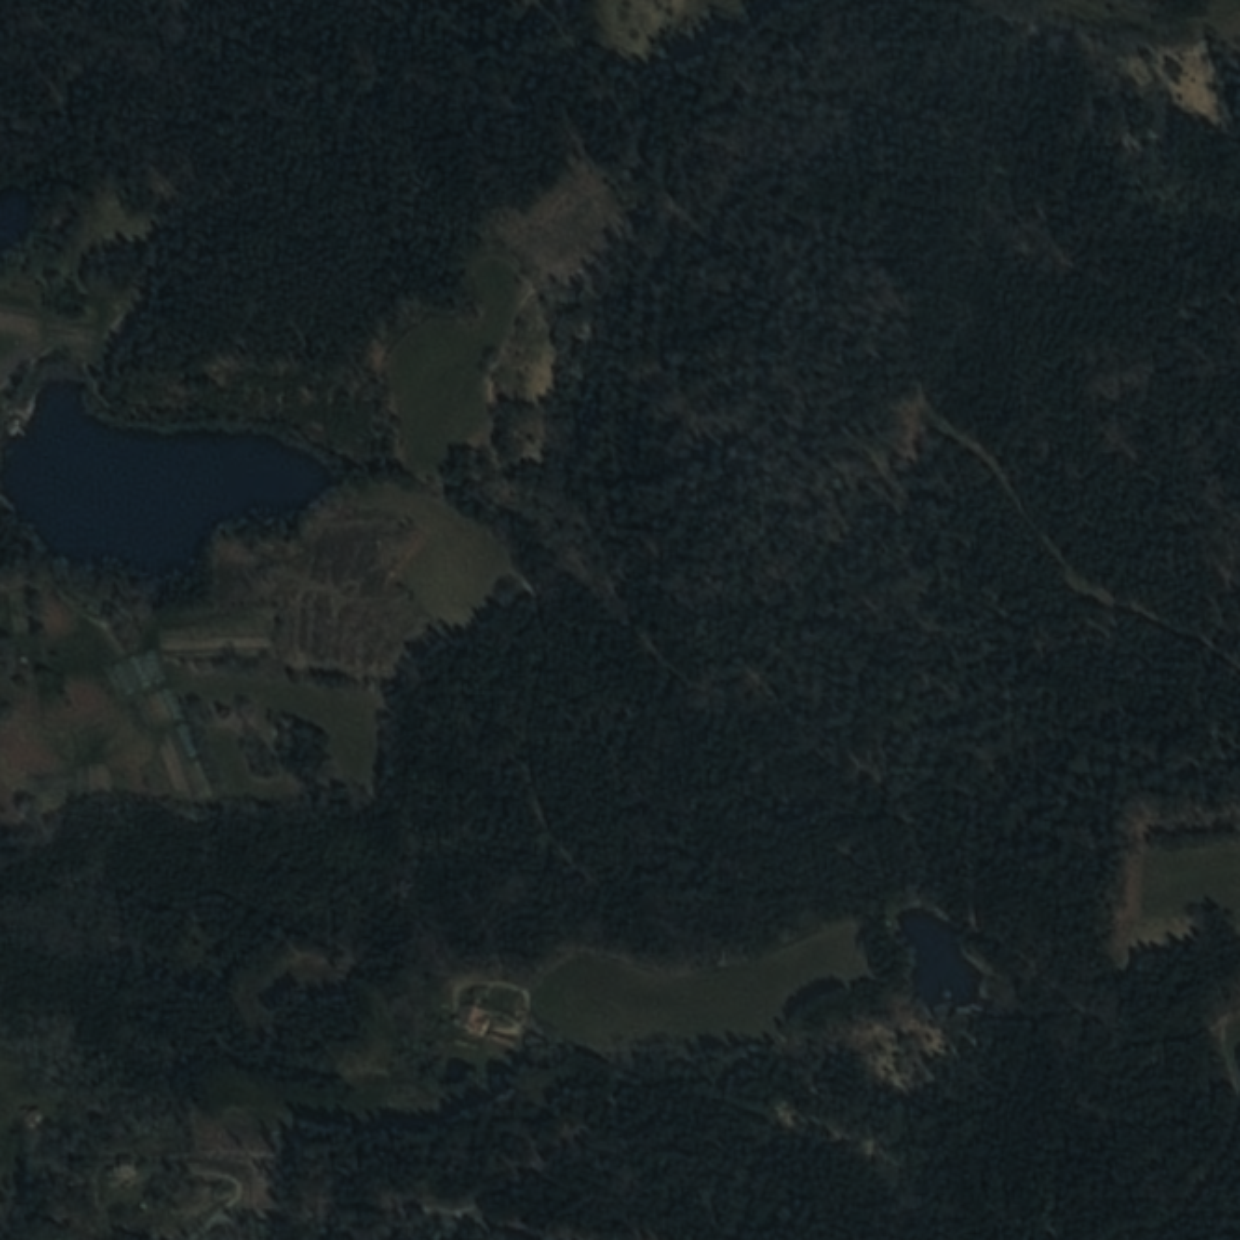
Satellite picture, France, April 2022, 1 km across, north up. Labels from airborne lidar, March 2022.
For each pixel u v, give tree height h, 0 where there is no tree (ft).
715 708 64
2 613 0
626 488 42
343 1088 71
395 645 0
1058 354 62
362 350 76
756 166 78
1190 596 73
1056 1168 74
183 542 0
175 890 52
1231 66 39
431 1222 65
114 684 0
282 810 51
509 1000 0
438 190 70
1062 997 44
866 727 81
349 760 0
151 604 47
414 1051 26
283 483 0
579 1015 0
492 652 63
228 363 68
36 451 0
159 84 81
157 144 83
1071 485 68
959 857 39
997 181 60
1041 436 60
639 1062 43
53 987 39
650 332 53
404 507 0
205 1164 0
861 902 53
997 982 25
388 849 60
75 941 57
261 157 91
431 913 73
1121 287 63
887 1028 34
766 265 53
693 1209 54
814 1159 81
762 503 99
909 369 62
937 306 43
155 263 74
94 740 0
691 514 78
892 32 44
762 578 89
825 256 74
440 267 63
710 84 97
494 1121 104
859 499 99
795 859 59
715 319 41
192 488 0
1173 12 55
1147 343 65
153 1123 60
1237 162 78
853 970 0
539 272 0
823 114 93
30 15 92
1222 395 63
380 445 41
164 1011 64
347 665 0
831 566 40
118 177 72
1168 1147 56
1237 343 62
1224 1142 66
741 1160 75
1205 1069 66
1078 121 66
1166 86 35
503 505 73
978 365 52
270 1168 0
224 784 42
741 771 31
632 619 60
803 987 0
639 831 60
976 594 56
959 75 72
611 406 74
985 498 62
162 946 77
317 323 88
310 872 42
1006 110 61
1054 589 61
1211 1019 70
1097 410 54
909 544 58
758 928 61
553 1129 68
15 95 81
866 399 61
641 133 79
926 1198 47
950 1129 43
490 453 37
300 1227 69
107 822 59
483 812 67
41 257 54
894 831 49
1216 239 52
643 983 0
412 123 88
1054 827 93
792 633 85
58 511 0
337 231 81
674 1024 0
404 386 0
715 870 68
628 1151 62
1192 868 0
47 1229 87
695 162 42
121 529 0
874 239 80
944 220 39
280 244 90
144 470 0
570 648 63
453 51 80
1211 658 76
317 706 0
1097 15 0
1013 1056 45
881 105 65
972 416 42
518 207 64
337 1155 83
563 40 98
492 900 70
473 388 0
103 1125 44
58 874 59
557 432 57
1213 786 49
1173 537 74
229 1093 0
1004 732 91
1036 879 68
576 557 56
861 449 98
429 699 51
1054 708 44
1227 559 73
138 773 0
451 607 0
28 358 0
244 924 79
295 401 31
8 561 55
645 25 0
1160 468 54
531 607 67
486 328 0
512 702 69
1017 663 51
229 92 86
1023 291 70
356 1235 60
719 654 41
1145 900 0
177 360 81
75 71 81
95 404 64
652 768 63
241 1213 0
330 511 67
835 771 28
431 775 55
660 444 96
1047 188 69
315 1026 59
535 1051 49
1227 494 47
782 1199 86
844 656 87
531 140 88
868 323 46
